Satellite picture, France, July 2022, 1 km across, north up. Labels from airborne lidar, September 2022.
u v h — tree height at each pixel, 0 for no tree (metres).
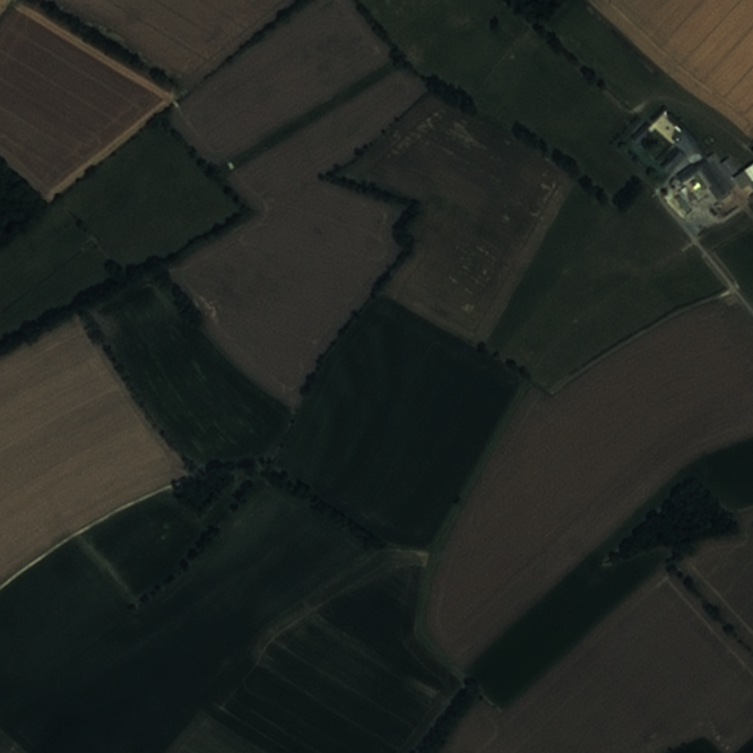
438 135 0
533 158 0
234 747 0
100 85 0
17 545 0
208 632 0
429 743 17
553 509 0
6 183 16
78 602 0
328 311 0
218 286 0
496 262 0
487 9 0
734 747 0
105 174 0
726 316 0
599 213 0
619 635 0
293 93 0
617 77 0
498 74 0
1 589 0
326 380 0
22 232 14
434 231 0
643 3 0
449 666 0
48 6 16
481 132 0
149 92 0
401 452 0
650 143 10
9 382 0
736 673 0
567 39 0
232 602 0
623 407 0
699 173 0
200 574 0
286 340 0
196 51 0
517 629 0
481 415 0
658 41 0
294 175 0
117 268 14
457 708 16
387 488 0
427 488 0
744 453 0
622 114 0
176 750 0
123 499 0
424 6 0
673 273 0
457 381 0
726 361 0
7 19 0
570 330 0
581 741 0
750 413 0
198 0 0
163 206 0
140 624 0
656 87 0
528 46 0
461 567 0
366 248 0
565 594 0
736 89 0
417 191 0
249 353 0
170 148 0
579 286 0
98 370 0
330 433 0
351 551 0
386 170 0
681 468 0
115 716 0
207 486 18
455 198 0
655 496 0
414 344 0
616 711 0
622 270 0
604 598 0
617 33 0
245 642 0
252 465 17
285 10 9
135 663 0
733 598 0
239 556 0
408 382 0
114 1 0
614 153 0
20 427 0
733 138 0
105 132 0
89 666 0
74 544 0
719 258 0
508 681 0
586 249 0
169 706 0
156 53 0
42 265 0
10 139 0
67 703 0
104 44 22
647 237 0
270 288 0
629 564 0
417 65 0
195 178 0
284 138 0
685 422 0
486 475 0
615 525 0
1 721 0
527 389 0
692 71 0
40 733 0
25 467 0
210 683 0
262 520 0
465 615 0
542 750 0
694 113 0
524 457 0
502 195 0
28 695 0
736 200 0
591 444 0
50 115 0
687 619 0
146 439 0
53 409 0
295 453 0
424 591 0
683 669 0
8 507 0
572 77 0
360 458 0
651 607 0
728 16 0
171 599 0
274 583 0
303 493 10
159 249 0
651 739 0
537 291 0
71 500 0
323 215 0
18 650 0
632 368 0
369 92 0
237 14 0
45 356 0
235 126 0
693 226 0
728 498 0
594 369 0
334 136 0
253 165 0
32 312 0
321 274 0
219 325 0
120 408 0
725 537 15
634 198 17
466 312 0
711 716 0
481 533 0
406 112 0
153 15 0
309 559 0
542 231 0
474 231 0
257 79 0
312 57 0
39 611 0
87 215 0
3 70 0
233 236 0
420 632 0
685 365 0
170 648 0
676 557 13
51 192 0
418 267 0
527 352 0
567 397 0
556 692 0
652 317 0
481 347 12
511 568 0
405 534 0
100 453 0
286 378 0
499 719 0
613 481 0
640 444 0
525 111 0
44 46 0
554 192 0
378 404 0
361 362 0
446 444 0
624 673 0
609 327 0
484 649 0
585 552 0
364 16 12
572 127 0
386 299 0
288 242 0
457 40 0
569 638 0
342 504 0
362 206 0
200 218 0
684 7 0
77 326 0
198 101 0
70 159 0
